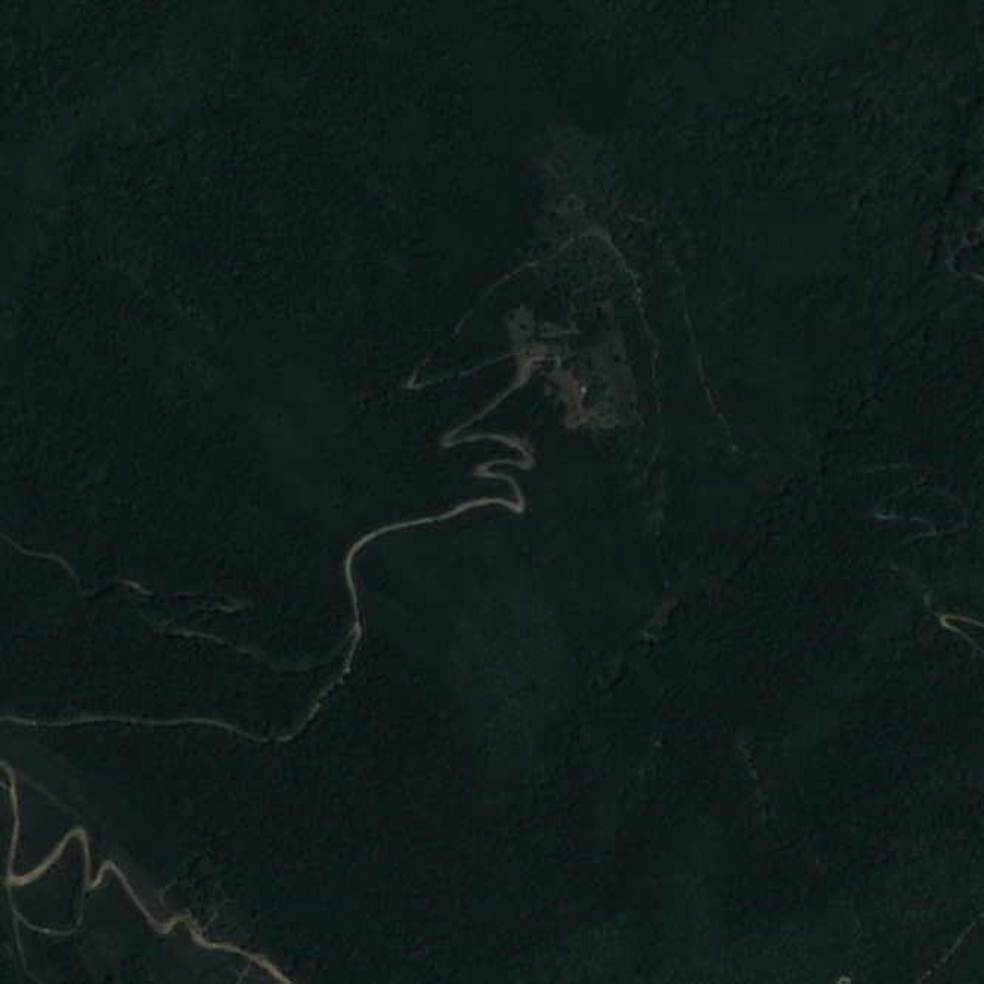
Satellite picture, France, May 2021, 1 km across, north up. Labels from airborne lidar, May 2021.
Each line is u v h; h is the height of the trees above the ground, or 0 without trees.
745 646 8
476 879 15
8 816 0
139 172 13
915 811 10
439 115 9
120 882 0
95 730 9
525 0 9
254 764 15
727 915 9
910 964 8
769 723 11
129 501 10
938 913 7
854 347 11
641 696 10
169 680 12
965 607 10
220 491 7
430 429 6
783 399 7
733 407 9
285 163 13
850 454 12
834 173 7
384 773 14
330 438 6
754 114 9
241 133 16
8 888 0
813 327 10
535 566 9
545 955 12
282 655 16
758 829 12
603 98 8
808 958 6
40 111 13
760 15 7
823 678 7
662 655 13
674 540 11
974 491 8
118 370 9
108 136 16
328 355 11
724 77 6
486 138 6
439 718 10
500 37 6
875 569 6
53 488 9
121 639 8
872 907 9
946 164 14
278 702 15
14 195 7
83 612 12
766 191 10
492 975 10
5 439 14
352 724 11
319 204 8
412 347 9
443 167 7
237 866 10
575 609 6
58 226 7
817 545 13
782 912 10
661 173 11
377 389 9
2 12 12
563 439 11
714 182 10
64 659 14
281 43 11
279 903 12
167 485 7
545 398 7
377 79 7
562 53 8
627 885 13
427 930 8
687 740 10
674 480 10
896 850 9
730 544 13
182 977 0
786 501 20
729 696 10
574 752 9
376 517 6
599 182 7
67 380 6
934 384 10
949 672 11
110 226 6
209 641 7
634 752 8
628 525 6
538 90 7
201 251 13
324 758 13
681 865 6
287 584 9
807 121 15
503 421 6
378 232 11
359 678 11
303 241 7
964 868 8
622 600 6
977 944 7
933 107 12
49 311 6
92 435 12
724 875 9
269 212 7
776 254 7
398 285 6
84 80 7
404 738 10
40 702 11
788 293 15
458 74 7
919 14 7
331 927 11
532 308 7
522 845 10
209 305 10
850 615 8
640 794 8
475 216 8
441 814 11
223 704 14
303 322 6
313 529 7
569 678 9
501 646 6
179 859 7
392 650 9
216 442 6
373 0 6
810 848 15
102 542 14
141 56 11
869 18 7
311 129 9
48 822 0
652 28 9
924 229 17
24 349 11
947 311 16
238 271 13
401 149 6
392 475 9
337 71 10
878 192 12
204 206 12
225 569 12
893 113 13
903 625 9
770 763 7
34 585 10
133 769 10
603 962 9
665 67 9
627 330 9
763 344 9
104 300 12
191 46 11
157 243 7
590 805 7
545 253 11
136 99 6
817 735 7
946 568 6
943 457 9
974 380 9
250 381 6
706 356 8
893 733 10
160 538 13
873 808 13
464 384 6
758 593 12
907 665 12
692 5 11
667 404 7
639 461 13
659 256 7
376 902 12
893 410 13
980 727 11
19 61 10
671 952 6
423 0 9
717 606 16
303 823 17
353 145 7
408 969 11
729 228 7
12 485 13
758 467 7
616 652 16
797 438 6
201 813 14
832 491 11
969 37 14
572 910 10
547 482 6
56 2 8
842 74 11
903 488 7
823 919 5
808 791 13
